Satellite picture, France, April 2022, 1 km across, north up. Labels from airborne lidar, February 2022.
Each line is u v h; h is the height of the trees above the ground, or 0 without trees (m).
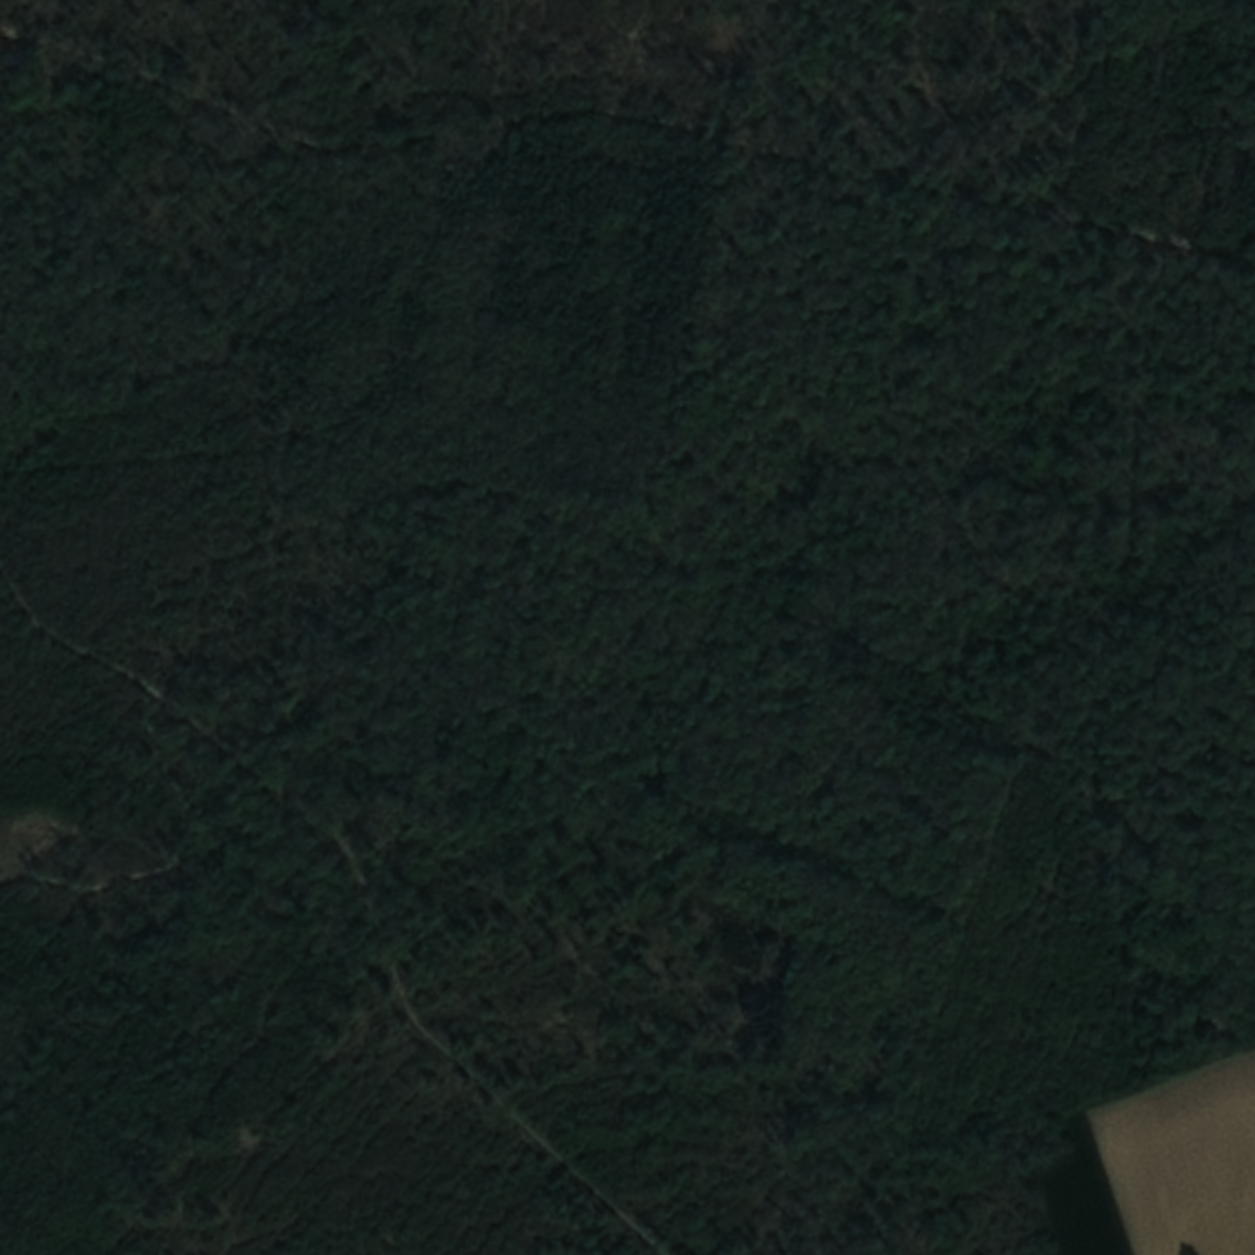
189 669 32
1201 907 26
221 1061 6
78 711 6
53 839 0
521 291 19
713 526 30
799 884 35
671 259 18
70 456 13
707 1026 32
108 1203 24
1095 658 32
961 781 26
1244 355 32
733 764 32
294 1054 6
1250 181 11
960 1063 9
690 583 29
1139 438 15
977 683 27
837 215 30
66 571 11
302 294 21
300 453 19
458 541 28
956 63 6
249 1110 9
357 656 32
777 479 27
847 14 33
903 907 31
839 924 33
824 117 27
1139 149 14
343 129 14
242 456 12
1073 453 34
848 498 28
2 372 33
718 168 21
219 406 12
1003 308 32
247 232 0
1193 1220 0
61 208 28
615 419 20
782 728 34
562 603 31
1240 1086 0
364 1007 10
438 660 28
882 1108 34
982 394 28
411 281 22
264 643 9
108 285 32
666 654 29
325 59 19
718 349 25
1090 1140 0
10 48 32
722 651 32
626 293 20
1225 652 28
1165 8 31
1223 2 24
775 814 31
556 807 31
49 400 27
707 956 31
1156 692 29
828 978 30
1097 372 32
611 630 28
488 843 21
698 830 37
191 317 25
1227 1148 0
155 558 10
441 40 13
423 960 32
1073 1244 0
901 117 34
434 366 24
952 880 27
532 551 21
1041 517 32
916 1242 36
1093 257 31
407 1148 6
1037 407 9
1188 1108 0
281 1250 12
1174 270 30
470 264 22
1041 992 10
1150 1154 0
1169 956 37
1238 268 30
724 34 0
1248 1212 0
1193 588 24
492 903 0
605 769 32
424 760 29
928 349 34
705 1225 8
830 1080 23
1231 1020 29
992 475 31
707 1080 16
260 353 18
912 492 30
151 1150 16
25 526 13
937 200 31
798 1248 33
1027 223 28
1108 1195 0
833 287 32
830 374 32
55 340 22
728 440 27
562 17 7
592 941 35
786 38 33
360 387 19
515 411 22
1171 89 11
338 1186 9
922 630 30
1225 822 32
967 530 28
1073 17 7
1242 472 30
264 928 32
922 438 10
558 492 25
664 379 21
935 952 30
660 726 25
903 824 33
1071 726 25
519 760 29
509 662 29
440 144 19
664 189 21
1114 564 33
